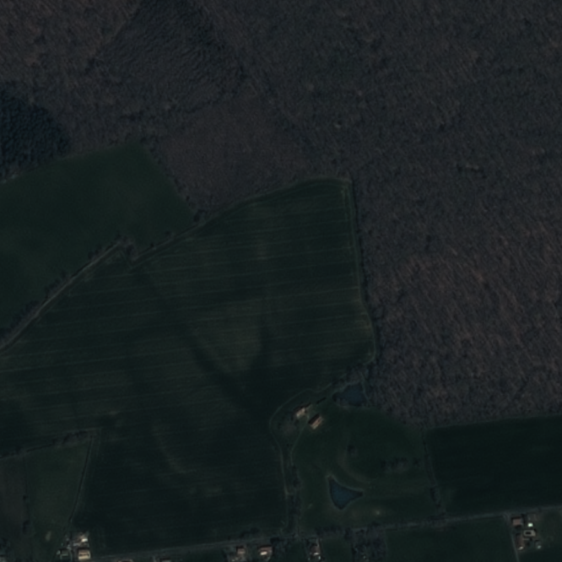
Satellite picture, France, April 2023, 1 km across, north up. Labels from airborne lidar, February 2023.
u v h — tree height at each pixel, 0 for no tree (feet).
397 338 58
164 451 0
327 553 0
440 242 81
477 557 0
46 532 0
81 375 0
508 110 75
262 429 0
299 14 80
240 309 0
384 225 68
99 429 0
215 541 0
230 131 39
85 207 0
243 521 0
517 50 76
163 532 0
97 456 0
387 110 73
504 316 92
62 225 0
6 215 0
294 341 0
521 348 89
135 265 0
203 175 42
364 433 0
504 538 0
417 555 0
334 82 93
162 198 0
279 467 0
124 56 22
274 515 0
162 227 0
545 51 95
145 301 0
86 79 77
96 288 0
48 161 30
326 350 0
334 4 90
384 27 93
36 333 0
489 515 0
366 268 47
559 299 94
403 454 0
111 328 0
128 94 54
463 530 0
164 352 0
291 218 0
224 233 0
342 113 83
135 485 0
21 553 0
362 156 90
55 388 0
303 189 0
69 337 0
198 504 0
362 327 0
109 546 0
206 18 71
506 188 87
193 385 0
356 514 0
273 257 0
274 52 81
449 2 94
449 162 78
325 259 0
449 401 52
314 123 81
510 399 84
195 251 0
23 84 69
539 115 88
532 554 0
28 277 0
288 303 0
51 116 55
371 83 81
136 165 0
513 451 0
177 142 44
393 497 0
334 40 81
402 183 62
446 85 88
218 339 0
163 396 0
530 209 101
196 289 0
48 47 82
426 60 106
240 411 0
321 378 0
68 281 50
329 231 0
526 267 84
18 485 0
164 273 0
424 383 79
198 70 25
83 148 74
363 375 66
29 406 0
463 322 80
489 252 90
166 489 0
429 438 0
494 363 94
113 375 0
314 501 0
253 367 0
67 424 0
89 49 78
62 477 0
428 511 0
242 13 94
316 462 0
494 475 0
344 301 0
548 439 0
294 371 0
